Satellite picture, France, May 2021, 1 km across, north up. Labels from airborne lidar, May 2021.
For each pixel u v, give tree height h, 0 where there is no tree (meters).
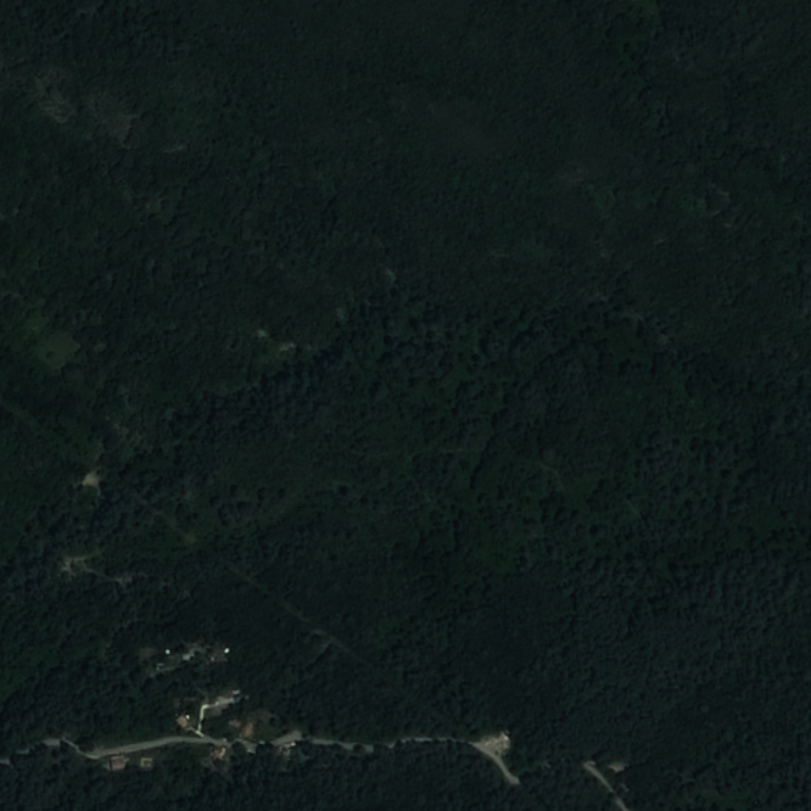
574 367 32
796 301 13
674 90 11
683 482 16
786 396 16
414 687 20
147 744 0
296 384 17
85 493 17
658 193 11
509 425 18
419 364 25
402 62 6
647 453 13
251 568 13
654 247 10
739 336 14
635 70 11
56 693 22
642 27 6
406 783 16
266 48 8
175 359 21
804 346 10
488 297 11
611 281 15
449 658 17
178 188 9
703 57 7
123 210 11
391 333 26
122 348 16
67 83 10
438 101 7
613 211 6
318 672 9
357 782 22
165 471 6
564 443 15
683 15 9
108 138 7
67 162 14
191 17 9
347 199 19
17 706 14
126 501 23
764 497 22
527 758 8
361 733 11
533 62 9
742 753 15
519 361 12
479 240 16
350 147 5
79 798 11
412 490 8
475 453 5
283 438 9
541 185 8
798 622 12
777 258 13
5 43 12
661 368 17
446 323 20
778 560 15
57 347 0
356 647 16
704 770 17
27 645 9
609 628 23
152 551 8
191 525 8
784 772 22
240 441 13
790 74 10
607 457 12
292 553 16
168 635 19
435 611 12
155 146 6
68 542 13
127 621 9
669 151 21
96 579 22
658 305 8
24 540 12
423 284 17
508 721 6
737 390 14
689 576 17
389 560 15
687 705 14
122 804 16
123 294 16
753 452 18
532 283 12
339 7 9
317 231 15
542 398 16
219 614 13
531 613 11
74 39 17
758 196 13
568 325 28
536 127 6
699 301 12
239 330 12
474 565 14
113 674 22
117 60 15
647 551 16
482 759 21
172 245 13
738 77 13
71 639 12
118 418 8
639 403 16
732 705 14
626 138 9
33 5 18
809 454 15
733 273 17
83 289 8
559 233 15
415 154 7
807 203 15
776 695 14
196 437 14
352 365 24
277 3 8
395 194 14
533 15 8
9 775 19
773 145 21
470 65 7
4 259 6
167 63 17
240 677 8
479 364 21
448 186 9
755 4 6
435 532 16
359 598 17
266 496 13
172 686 13
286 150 13
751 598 17
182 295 9
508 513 15
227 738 8
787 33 10
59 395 10
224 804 10
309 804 17
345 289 13
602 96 9
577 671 22
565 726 25
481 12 9
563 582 16
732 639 24
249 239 7
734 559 17
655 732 12
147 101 6
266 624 13
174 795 15
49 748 21
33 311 6
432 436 9
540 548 9
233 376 15
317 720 19
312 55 7
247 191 10
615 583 16
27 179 13
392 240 17
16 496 12
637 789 13
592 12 16
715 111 6
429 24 6
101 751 0
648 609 22
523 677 26
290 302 15
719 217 10
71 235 8
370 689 15
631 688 22
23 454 12
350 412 12
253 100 17
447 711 20
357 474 9
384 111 10
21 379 12
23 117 10
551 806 19
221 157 7
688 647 20
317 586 14
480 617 15
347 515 6
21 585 17
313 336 23
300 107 8
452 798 18
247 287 10
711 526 7
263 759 18
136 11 15
